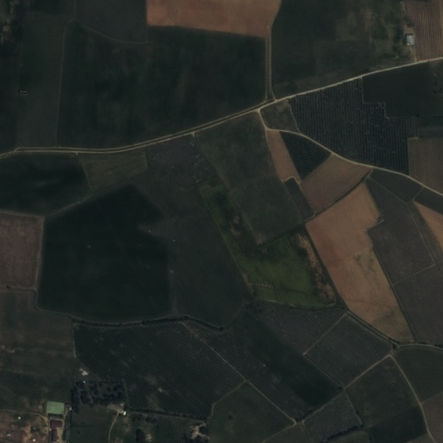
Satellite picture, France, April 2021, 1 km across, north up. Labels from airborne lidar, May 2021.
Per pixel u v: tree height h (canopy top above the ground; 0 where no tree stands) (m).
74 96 0
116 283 0
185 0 0
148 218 0
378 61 0
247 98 0
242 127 0
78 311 0
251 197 0
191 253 0
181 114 0
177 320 8
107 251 0
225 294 0
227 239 0
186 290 0
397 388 0
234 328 0
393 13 0
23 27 0
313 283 0
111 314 0
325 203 0
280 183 0
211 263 0
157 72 0
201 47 0
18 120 0
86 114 0
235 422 0
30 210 0
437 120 0
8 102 0
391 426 0
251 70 0
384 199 0
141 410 7
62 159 0
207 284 0
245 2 0
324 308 0
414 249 0
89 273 0
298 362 0
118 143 0
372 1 0
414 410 0
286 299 0
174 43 0
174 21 0
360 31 0
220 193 0
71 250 0
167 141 0
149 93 0
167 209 0
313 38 0
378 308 0
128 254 0
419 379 0
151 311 0
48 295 0
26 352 0
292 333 0
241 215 0
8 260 0
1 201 0
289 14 0
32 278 0
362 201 0
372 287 0
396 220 0
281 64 0
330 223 0
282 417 0
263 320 0
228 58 0
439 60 0
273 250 0
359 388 0
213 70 0
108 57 0
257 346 0
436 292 0
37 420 0
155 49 0
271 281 0
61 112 0
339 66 0
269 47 0
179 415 6
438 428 0
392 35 0
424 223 0
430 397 0
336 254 0
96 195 0
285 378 0
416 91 0
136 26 0
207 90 0
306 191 0
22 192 0
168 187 0
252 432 0
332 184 0
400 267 0
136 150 0
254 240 0
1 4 0
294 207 0
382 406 0
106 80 0
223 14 0
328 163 0
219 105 0
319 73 0
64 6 0
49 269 0
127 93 0
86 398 12
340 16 0
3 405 0
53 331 0
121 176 0
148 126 0
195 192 0
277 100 0
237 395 0
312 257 0
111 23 0
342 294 0
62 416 8
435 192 0
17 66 0
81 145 0
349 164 0
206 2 0
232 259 0
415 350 0
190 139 0
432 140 0
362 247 0
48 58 0
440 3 0
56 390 0
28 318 0
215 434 0
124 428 0
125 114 0
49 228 0
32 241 0
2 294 0
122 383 9
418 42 0
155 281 0
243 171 0
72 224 0
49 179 0
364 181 0
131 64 0
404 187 0
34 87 0
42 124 0
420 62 0
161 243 0
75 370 0
